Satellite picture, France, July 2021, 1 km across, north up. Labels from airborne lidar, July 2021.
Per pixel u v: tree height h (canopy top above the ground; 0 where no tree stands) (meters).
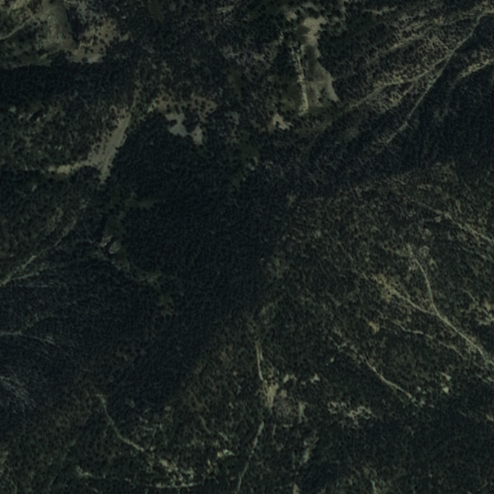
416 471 6
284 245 10
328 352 11
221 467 17
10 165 7
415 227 9
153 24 7
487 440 10
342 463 9
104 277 10
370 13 10
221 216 7
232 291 12
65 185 13
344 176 11
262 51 8
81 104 8
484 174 7
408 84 13
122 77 11
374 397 9
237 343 11
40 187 13
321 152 15
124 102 9
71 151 8
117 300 9
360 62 15
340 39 13
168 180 12
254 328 7
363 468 8
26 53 6
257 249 10
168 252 10
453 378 8
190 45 8
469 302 7
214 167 12
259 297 9
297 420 8
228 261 14
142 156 12
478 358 8
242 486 6
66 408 6
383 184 12
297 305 11
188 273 7
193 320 11
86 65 6
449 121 14
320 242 8
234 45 8
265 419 9
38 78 12
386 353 8
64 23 0
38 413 10
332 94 0
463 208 10
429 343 6
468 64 9
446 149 12
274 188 6
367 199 8
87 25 7
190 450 8
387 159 16
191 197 14
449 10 12
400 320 8
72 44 0
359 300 9
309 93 0
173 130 0
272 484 8
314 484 11
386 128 9
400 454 9
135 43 7
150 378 11
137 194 7
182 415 14
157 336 10
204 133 8
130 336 11
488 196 8
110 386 11
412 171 10
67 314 9
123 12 7
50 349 8
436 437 6
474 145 12
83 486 7
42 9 0
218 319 8
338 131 14
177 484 10
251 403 7
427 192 8
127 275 8
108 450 8
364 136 14
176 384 7
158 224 10
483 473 11
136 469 15
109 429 6
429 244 9
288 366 8
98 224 8
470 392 10
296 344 9
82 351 9
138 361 16
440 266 6
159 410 7
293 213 9
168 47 8
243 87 7
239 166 10
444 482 7
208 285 12
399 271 10
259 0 10
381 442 9
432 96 13
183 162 9
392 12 6
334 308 8
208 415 10
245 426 11
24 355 9
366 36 10
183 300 8
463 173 12
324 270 8
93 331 9
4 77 17
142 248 13
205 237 11
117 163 7
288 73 14
